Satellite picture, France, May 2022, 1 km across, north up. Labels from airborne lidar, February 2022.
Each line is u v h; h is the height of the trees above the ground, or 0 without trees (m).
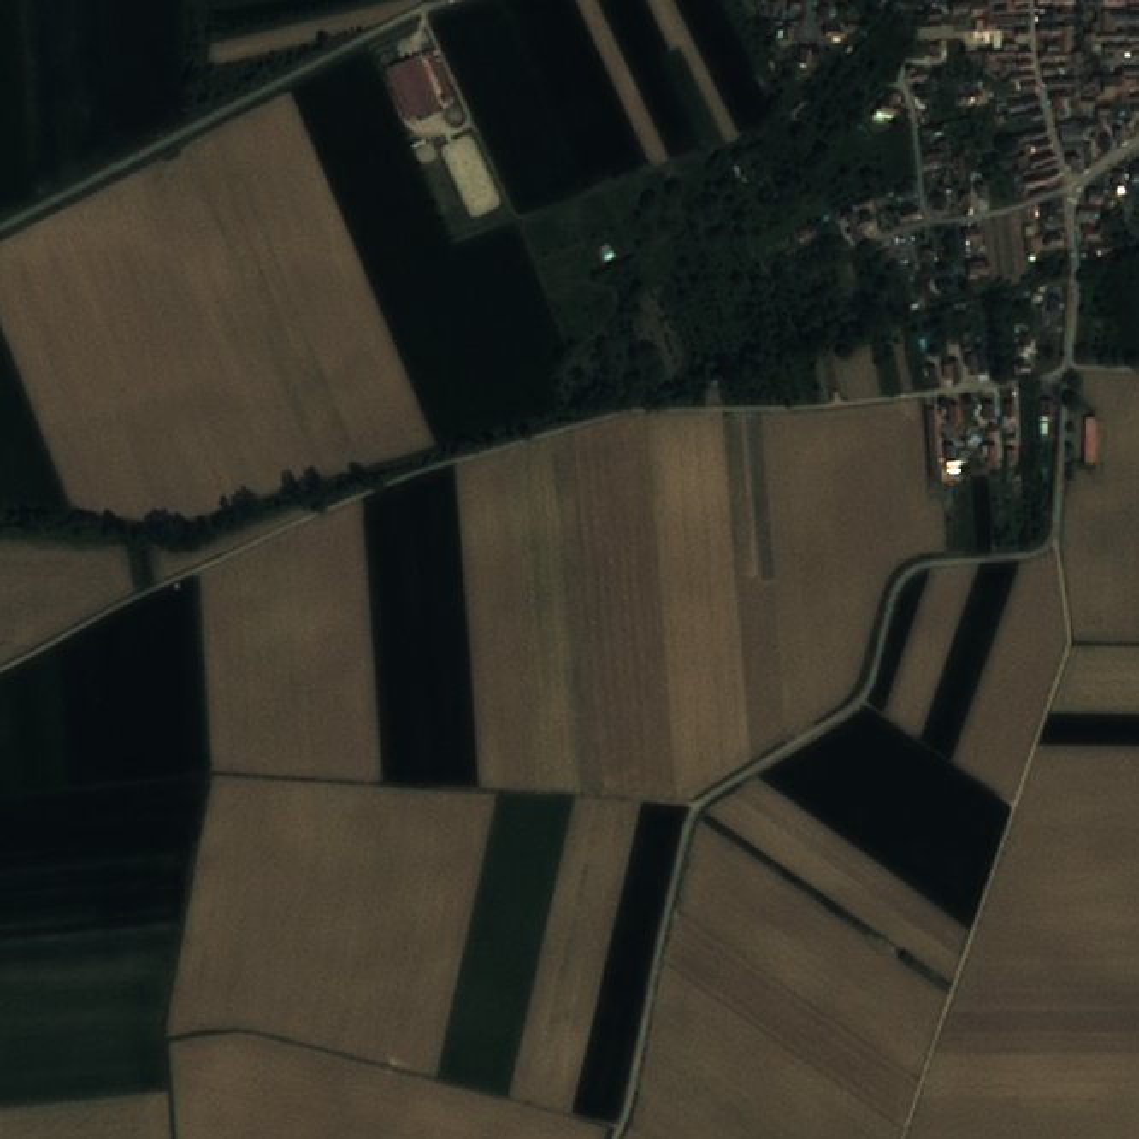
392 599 0
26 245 0
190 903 0
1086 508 0
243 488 0
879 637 0
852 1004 0
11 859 0
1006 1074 0
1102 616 0
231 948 0
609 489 0
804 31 0
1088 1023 0
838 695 0
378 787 0
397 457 0
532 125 0
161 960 0
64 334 0
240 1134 0
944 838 0
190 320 0
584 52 0
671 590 0
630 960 0
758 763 0
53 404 0
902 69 0
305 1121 0
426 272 0
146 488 0
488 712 0
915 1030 0
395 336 0
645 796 0
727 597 0
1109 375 0
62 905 0
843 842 0
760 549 0
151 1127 0
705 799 0
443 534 0
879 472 0
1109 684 0
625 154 0
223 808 0
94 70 0
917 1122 0
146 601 0
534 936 0
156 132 0
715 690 0
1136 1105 0
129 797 0
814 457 0
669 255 0
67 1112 0
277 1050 0
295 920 0
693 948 0
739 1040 0
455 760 0
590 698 0
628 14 0
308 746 0
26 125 0
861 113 11
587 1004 0
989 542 0
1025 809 0
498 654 0
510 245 0
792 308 7
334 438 0
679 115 0
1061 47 0
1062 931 0
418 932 0
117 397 0
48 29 0
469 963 0
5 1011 0
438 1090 0
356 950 0
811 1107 0
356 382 0
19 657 0
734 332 0
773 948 0
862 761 0
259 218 0
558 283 0
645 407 12
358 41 0
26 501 0
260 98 0
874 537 0
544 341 0
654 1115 0
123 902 0
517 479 0
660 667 0
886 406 0
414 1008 0
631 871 0
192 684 0
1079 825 0
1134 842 0
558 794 0
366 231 0
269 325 0
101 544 0
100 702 0
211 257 0
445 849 0
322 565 0
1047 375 0
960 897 0
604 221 0
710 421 0
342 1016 0
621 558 0
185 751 0
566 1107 0
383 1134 0
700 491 0
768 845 0
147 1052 0
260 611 0
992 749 0
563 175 0
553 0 0
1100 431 0
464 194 0
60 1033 0
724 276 0
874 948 0
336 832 0
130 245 0
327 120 0
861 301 0
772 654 0
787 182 16
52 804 0
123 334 0
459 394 0
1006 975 0
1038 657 0
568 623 0
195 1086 0
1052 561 0
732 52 0
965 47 6
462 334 0
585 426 0
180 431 0
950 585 0
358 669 0
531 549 0
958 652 0
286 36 0
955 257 13
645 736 0
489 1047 0
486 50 0
